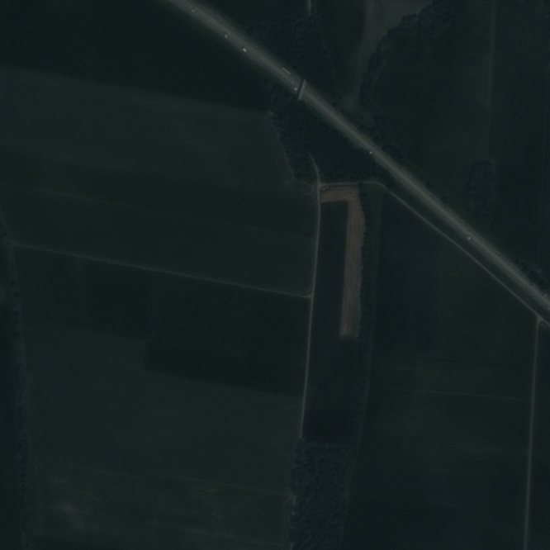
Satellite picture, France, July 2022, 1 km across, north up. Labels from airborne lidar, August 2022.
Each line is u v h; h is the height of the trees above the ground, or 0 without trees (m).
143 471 0
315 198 0
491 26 0
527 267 17
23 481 12
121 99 0
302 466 18
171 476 0
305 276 0
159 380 0
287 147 17
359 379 9
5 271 0
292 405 0
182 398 0
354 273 0
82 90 0
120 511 0
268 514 0
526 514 0
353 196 0
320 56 24
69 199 0
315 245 0
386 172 18
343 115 8
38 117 0
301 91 0
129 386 0
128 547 0
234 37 0
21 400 7
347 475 23
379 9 0
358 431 8
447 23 17
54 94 0
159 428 0
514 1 14
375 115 10
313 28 22
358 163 24
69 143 0
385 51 16
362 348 11
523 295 0
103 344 0
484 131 0
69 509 0
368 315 21
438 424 0
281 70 0
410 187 0
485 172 21
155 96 0
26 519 17
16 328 6
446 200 12
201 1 0
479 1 19
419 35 10
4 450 0
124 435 0
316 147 18
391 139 15
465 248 0
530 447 0
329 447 6
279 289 0
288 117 21
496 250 0
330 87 22
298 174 13
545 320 0
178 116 0
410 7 0
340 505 18
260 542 0
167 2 0
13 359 0
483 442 0
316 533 10
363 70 0
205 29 0
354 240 0
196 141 0
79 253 0
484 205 19
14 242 0
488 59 0
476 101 0
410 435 0
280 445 0
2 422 0
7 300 0
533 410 0
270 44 18
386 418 0
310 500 9
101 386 0
